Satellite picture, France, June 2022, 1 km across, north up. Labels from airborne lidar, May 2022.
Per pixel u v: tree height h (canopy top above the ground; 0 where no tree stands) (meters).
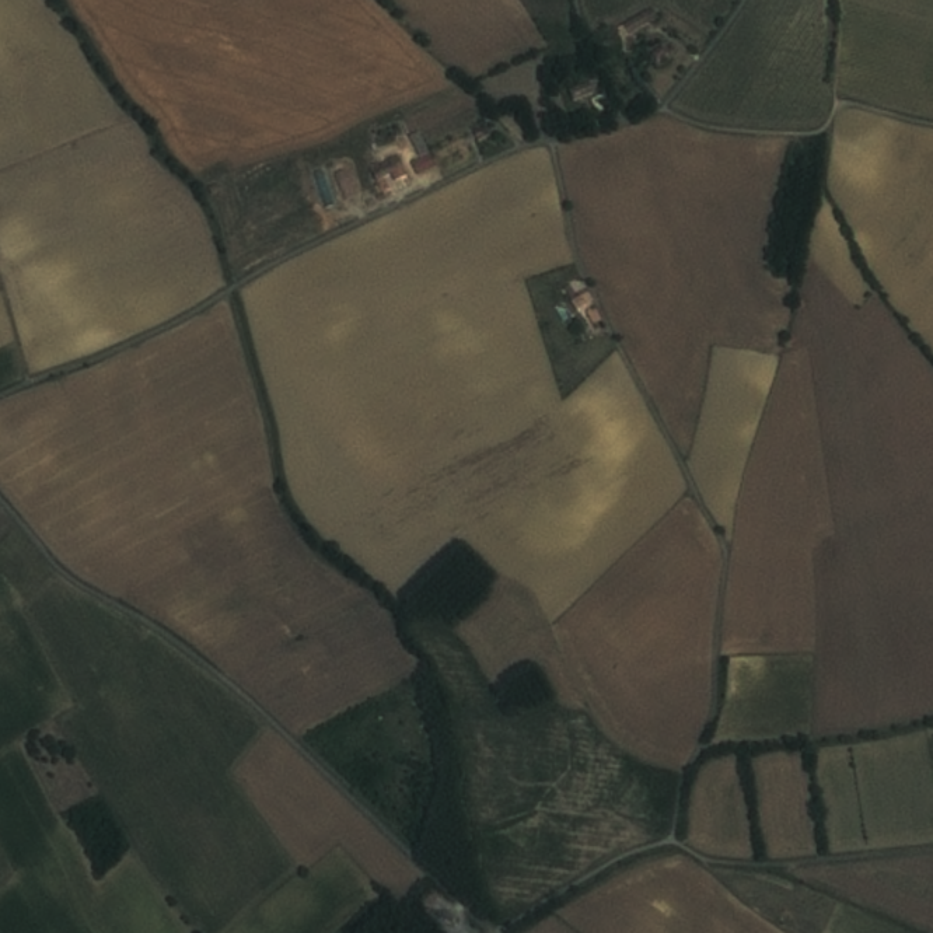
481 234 0
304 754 0
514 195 0
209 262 0
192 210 0
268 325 0
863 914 0
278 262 0
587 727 0
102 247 0
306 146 0
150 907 0
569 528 0
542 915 16
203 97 0
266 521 0
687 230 0
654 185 0
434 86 0
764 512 0
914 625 0
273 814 0
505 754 0
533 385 0
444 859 27
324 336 0
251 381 0
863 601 0
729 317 0
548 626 0
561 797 0
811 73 0
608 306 0
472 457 0
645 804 0
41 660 0
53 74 0
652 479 0
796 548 0
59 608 0
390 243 0
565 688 0
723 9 0
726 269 0
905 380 0
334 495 0
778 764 0
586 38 16
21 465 0
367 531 0
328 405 0
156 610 0
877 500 0
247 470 0
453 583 29
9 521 0
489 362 0
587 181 0
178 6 0
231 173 0
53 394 0
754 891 0
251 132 0
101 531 0
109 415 0
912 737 0
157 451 0
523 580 0
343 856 0
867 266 9
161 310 0
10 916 0
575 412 0
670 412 0
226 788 0
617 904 0
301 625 0
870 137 0
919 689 0
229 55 0
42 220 0
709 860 0
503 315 0
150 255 0
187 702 0
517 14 0
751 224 0
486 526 0
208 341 0
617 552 0
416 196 0
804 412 0
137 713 0
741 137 0
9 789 0
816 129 0
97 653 0
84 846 10
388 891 12
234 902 0
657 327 0
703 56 0
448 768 24
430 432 0
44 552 0
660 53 0
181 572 0
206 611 0
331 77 0
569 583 0
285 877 0
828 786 0
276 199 0
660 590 0
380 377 0
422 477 0
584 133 17
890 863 0
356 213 0
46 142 0
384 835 0
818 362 0
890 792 0
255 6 0
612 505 0
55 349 0
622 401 0
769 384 0
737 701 0
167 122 0
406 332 0
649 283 0
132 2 0
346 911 0
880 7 0
